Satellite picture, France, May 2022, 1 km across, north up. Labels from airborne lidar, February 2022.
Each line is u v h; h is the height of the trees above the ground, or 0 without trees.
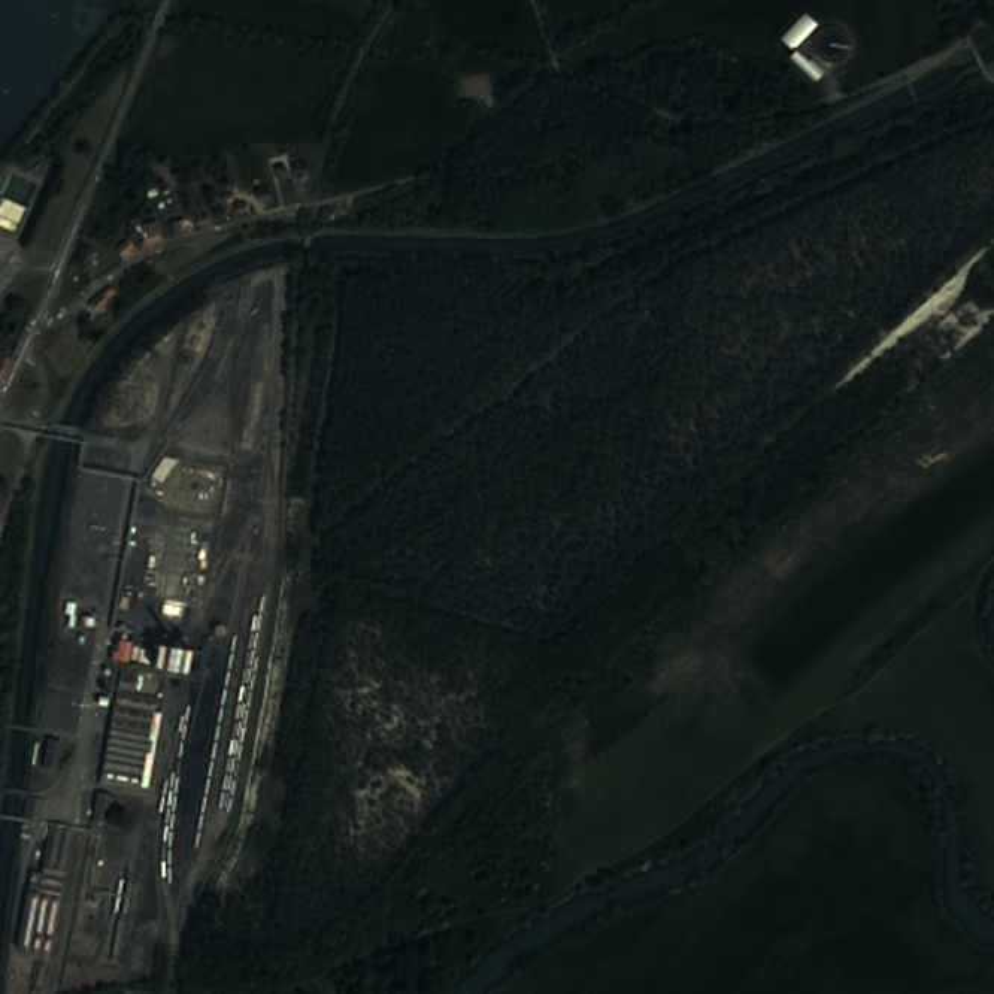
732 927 0
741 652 0
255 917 8
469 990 0
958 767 0
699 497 10
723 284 9
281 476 0
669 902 0
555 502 12
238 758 0
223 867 0
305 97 0
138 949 0
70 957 0
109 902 0
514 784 7
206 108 0
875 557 0
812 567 0
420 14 7
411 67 0
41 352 0
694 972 0
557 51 20
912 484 0
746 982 0
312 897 14
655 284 15
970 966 0
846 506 0
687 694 0
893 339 0
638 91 22
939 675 0
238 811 0
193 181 0
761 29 0
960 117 17
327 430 15
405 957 30
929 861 0
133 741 0
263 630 0
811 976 0
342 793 10
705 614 0
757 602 0
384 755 8
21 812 0
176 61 0
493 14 0
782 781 0
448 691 7
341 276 12
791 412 15
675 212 0
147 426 0
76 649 0
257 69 0
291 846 13
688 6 0
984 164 7
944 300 0
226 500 0
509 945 0
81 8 0
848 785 0
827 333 11
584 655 9
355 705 8
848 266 14
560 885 0
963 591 0
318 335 11
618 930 0
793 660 0
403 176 0
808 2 0
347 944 17
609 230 0
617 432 14
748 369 11
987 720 0
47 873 0
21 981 0
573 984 0
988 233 9
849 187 11
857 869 0
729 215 14
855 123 0
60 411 0
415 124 0
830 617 0
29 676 0
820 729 0
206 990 16
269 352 0
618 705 0
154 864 0
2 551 11
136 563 0
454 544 15
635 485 18
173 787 0
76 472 0
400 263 19
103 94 0
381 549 16
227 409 0
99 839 0
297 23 0
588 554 15
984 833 0
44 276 0
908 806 0
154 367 0
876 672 0
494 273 18
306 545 0
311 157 0
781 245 12
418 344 18
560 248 0
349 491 19
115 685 0
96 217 0
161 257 0
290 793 8
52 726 0
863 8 0
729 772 0
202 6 0
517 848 0
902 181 8
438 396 21
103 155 0
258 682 0
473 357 13
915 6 0
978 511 0
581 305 17
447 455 16
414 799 0
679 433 11
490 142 25
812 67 0
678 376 15
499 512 12
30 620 0
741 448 15
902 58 0
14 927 0
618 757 0
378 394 20
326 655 12
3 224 0
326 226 5
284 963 18
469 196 14
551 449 14
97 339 12
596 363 19
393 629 7
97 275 0
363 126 0
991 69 0
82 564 0
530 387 13
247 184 0
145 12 14
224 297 0
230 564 0
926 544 0
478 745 11
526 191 23
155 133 0
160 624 0
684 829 0
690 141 24
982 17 28
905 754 0
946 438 0
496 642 10
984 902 7
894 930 0
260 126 0
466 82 0
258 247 0
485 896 0
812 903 0
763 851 0
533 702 12
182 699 0
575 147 25
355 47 8
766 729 0
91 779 0
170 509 0
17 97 0
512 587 10
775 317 13
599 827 0
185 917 0
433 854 16
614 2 0
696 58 20
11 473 0
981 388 0
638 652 10
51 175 11
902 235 9
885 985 0
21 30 0
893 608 0
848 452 8
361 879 15
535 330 17
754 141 6
